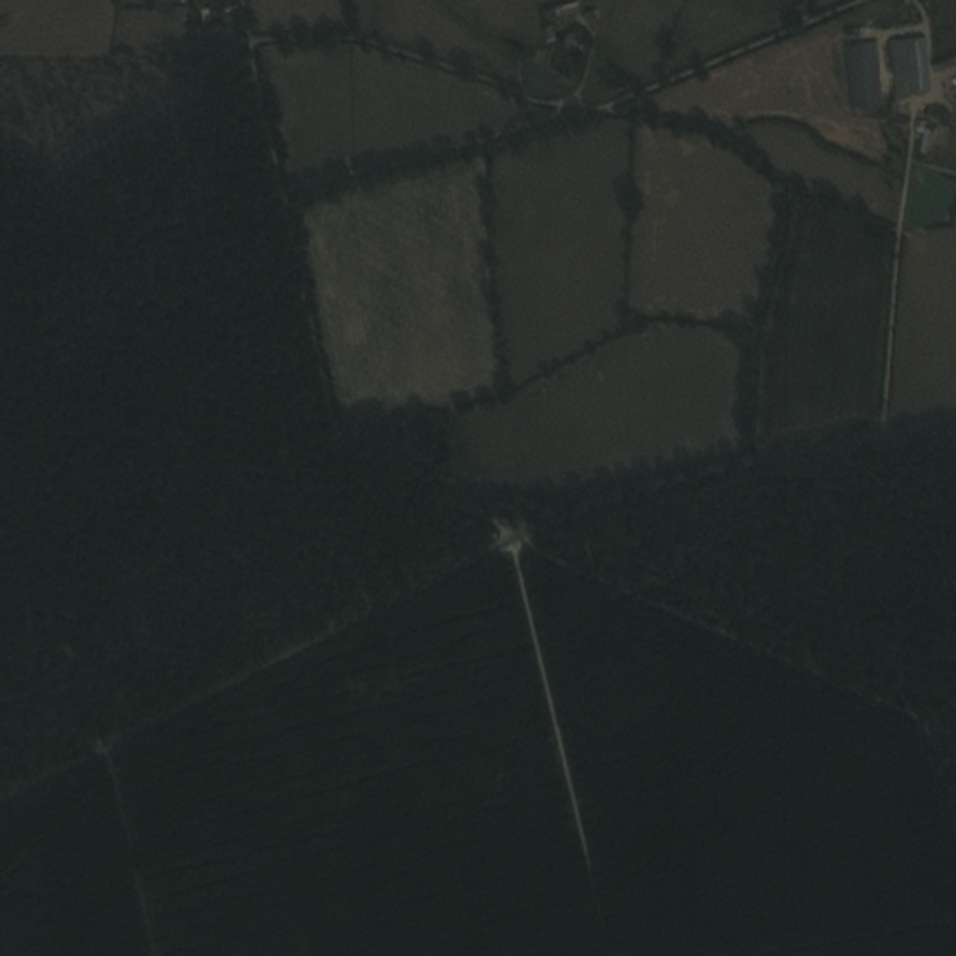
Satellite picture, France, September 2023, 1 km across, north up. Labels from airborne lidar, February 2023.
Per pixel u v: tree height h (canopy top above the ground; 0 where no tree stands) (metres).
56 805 8
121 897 7
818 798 17
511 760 8
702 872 11
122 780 8
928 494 32
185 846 8
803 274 0
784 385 0
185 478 24
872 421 0
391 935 12
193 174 32
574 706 14
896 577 31
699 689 12
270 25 0
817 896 15
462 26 0
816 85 0
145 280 36
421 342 0
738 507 34
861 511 29
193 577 23
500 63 0
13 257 28
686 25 0
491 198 22
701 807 13
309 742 8
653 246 0
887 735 16
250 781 7
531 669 7
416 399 0
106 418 33
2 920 11
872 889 16
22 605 26
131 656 29
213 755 6
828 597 32
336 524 23
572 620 9
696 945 16
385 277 0
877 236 0
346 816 8
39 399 30
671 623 9
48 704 22
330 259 0
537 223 0
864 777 16
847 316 0
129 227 28
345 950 11
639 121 14
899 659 32
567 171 0
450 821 10
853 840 15
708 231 0
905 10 0
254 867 6
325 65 0
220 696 9
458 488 17
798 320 0
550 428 0
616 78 0
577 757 8
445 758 7
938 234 0
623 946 17
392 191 0
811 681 14
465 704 7
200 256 38
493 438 0
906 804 15
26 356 33
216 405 34
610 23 0
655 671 12
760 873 14
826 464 27
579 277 0
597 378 0
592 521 32
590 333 0
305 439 33
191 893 6
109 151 30
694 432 0
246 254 35
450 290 0
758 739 15
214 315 32
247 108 33
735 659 13
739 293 0
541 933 9
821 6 0
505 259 0
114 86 28
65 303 28
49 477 33
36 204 30
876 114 0
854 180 0
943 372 0
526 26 0
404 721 9
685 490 26
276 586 22
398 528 31
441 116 0
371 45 7
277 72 0
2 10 0
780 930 13
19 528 29
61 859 9
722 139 15
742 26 0
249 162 34
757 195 0
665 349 0
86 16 0
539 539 28
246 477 23
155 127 29
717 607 25
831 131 0
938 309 0
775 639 9
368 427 27
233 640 27
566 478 0
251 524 22
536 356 0
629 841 14
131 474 31
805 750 18
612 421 0
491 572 11
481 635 8
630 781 11
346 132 0
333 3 0
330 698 7
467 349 0
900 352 0
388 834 8
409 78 0
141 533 25
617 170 0
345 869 8
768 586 33
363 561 28
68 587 28
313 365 29
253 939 9
